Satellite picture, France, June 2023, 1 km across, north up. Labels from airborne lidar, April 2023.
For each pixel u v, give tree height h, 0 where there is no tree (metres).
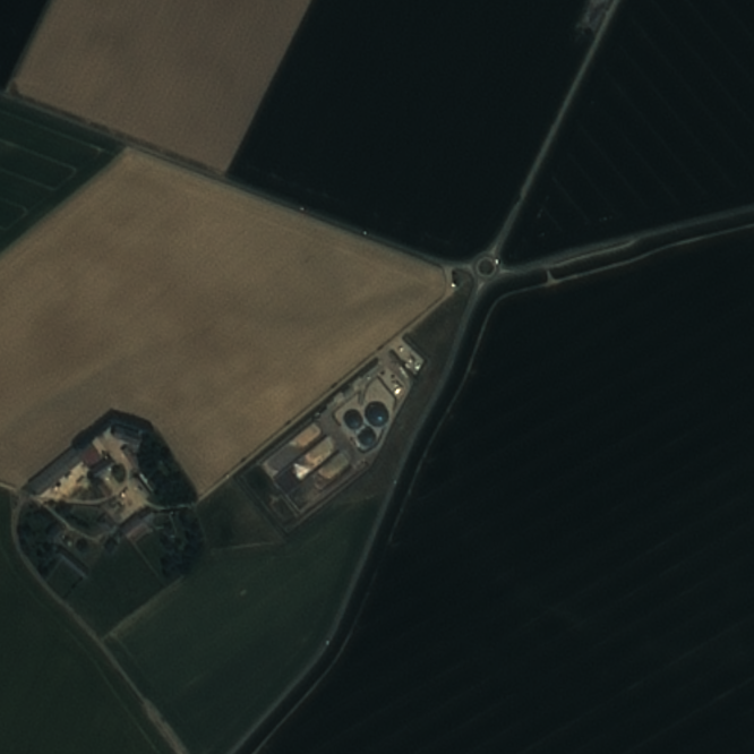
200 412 0
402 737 0
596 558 0
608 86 0
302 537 0
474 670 0
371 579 0
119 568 0
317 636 0
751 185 0
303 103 0
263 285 0
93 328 0
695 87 0
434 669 0
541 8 0
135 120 0
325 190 0
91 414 0
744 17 0
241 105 0
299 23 0
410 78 0
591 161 0
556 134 0
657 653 0
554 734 0
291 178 0
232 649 0
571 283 0
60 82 0
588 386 0
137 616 0
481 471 0
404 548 0
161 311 0
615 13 0
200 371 0
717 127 0
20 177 0
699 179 0
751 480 0
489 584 0
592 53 0
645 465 0
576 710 0
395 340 0
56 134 0
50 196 0
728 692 0
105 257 0
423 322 0
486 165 0
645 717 0
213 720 0
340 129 0
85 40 0
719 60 0
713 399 0
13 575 0
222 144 0
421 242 0
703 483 0
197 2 0
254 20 0
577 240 0
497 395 0
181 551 7
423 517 0
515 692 0
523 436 0
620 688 0
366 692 0
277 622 0
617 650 0
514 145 0
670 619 0
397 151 0
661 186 0
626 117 0
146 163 0
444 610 0
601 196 0
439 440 0
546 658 0
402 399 0
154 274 0
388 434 0
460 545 0
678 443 0
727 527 0
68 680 0
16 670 0
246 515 0
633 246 0
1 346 0
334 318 0
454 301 0
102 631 0
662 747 0
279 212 0
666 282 0
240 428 0
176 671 0
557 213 0
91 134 0
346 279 0
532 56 0
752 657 0
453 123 0
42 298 0
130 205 0
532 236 0
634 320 0
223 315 0
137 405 0
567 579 0
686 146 0
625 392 0
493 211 0
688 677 0
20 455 0
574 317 0
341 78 0
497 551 0
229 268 0
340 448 0
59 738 0
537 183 0
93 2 0
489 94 0
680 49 0
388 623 0
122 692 0
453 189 0
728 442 0
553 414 0
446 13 0
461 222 0
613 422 0
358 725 0
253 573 0
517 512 0
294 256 0
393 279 0
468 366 0
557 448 0
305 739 0
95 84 0
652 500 0
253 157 0
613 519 0
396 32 0
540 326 0
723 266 0
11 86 0
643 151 0
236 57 0
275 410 0
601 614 0
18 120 0
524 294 0
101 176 0
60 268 0
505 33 0
